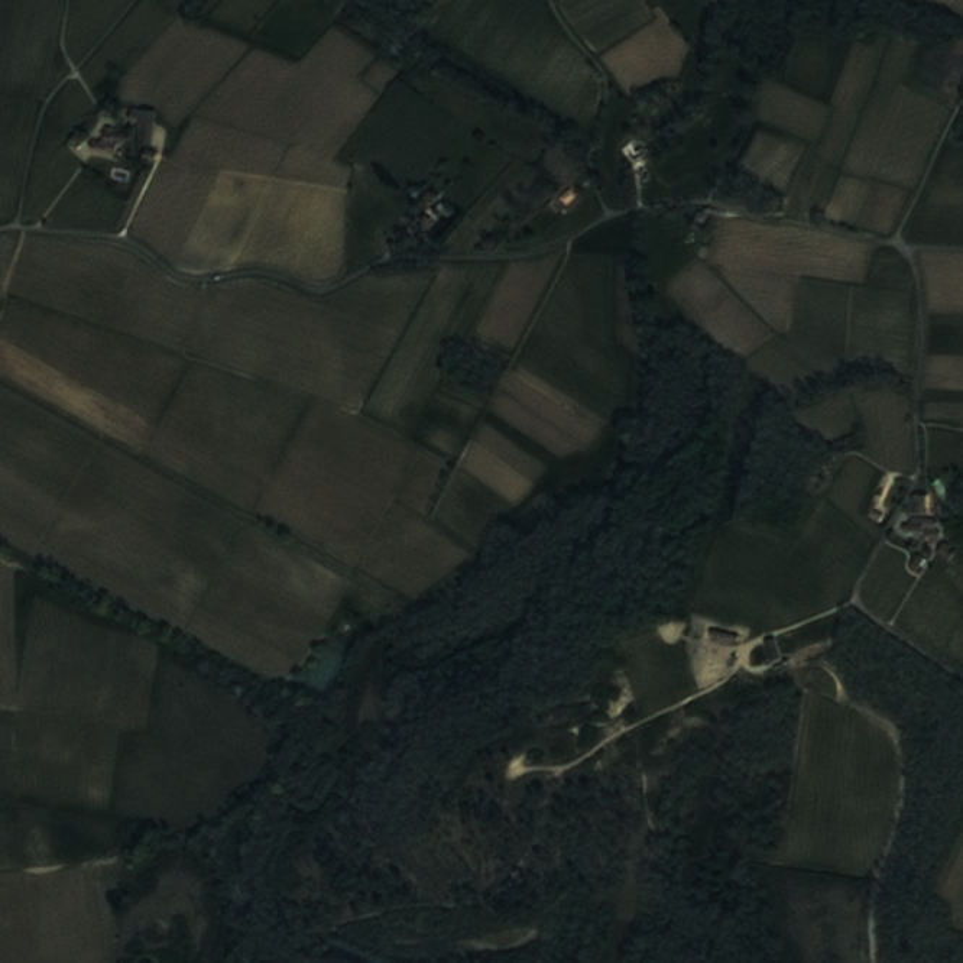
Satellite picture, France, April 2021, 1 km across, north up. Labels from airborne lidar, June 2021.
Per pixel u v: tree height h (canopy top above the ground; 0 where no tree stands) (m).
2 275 0
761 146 0
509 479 0
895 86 0
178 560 0
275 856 14
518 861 8
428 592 0
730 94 0
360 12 14
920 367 0
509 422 0
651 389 15
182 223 0
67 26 0
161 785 0
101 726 0
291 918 13
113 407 0
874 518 0
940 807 16
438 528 0
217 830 13
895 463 0
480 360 24
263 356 0
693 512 23
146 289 0
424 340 0
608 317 0
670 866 10
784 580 0
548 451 0
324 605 0
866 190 0
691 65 0
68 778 0
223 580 0
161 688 0
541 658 24
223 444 0
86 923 0
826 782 0
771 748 21
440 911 5
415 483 0
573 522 20
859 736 0
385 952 6
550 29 0
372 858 8
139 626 12
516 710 19
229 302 0
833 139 0
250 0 0
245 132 0
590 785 16
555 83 0
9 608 0
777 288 0
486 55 0
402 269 15
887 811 0
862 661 10
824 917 0
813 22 18
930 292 0
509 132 0
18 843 0
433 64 16
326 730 19
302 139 0
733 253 0
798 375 0
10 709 0
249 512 0
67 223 0
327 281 0
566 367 0
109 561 0
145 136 0
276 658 0
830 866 0
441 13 0
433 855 13
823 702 0
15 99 0
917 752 15
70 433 0
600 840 13
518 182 0
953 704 16
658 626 9
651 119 0
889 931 13
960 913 0
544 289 0
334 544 0
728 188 8
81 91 0
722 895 9
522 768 0
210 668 11
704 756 17
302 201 0
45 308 0
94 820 0
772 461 16
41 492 0
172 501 0
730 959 22
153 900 0
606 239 0
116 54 0
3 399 0
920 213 0
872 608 0
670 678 0
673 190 0
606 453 0
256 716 15
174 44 0
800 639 0
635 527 27
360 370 0
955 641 0
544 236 0
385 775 16
